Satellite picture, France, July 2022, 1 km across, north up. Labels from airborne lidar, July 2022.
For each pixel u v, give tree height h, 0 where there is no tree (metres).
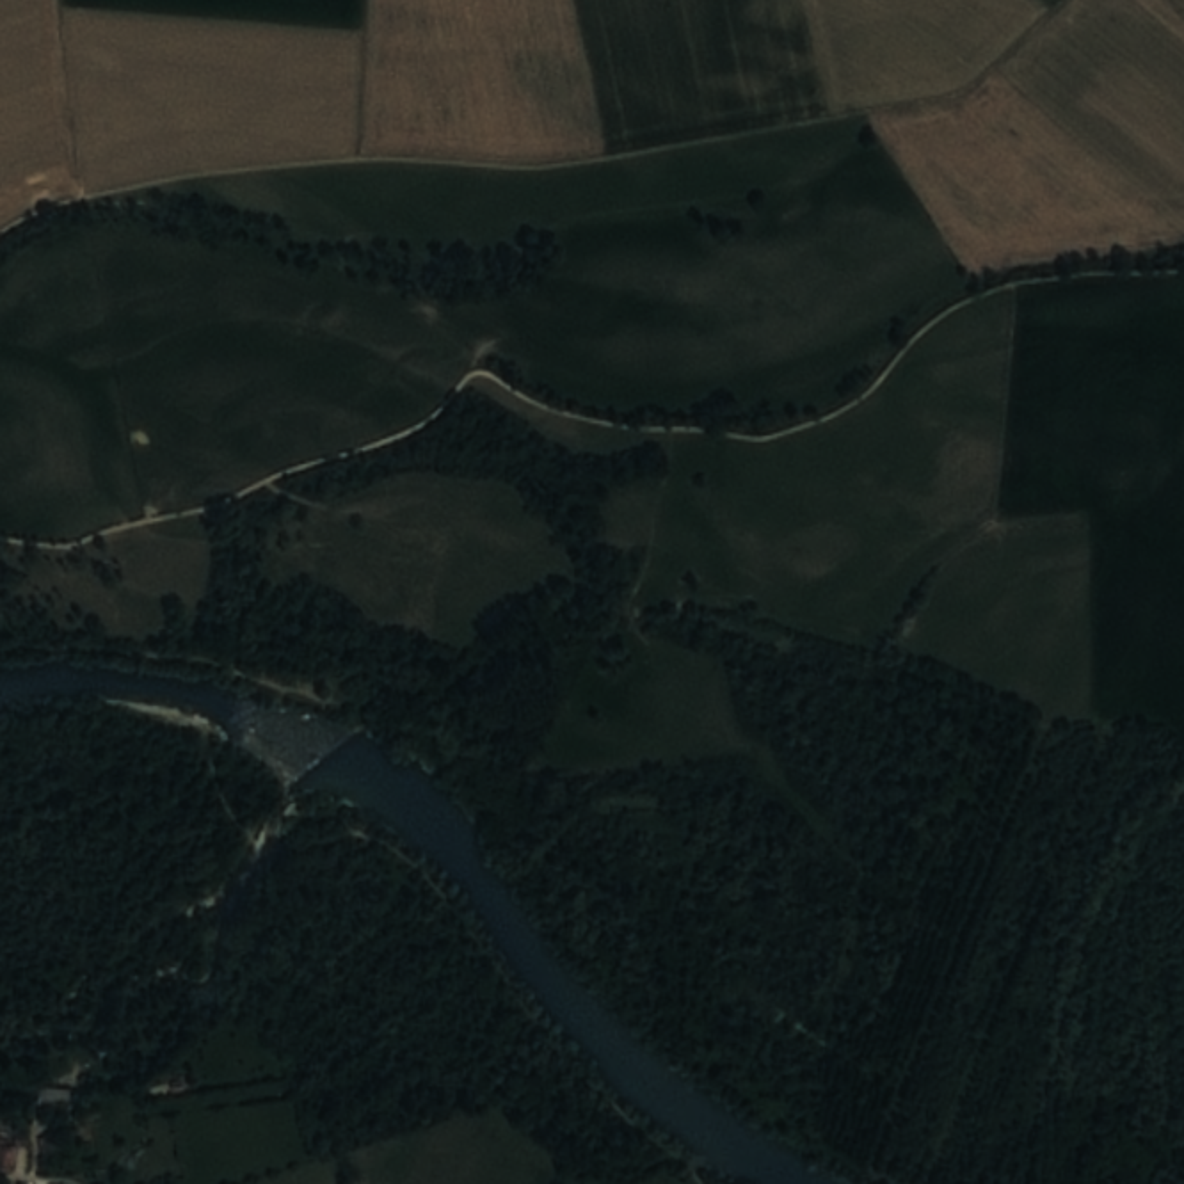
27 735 13
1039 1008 8
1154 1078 16
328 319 0
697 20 0
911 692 27
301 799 6
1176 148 0
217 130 0
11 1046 7
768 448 0
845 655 8
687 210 0
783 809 20
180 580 0
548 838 12
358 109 0
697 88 0
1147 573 0
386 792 0
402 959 12
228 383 0
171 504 0
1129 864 11
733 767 6
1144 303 0
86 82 0
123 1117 0
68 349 0
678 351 0
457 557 0
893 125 0
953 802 10
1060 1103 12
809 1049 7
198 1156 0
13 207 0
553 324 0
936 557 0
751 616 15
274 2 0
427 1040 14
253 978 7
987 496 0
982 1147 9
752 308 0
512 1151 0
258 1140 0
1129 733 13
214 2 0
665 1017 11
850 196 0
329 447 0
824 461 0
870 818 11
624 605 16
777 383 0
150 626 0
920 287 0
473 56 0
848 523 0
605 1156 9
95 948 8
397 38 0
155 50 0
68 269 0
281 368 0
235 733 0
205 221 23
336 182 0
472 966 15
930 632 0
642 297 0
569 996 0
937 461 0
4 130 0
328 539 0
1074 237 0
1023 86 0
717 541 0
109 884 13
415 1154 0
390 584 0
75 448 0
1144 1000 17
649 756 0
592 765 0
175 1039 15
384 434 0
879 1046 11
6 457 0
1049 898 12
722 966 11
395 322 0
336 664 10
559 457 6
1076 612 0
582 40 0
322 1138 20
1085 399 0
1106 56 0
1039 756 7
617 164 0
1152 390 0
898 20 0
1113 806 6
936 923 11
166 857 9
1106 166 0
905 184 0
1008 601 0
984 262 0
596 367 0
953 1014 10
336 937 9
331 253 20
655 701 0
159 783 20
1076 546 0
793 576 0
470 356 0
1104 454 0
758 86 0
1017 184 0
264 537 15
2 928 9
